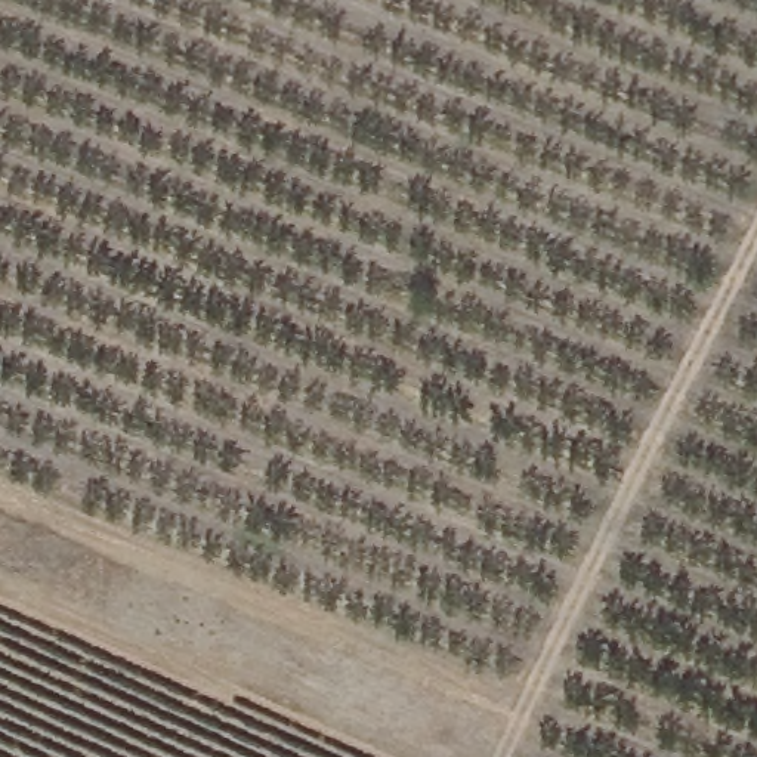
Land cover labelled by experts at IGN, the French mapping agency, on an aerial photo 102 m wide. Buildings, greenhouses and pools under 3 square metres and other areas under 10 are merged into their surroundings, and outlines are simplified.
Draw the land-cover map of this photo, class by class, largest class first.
<instances>
[{"label":"deciduous trees","instance_id":"1","mask_svg":"<svg viewBox=\"0 0 757 757\"><path fill-rule=\"evenodd\" d=\"M30 9L59 18L62 24L109 35L136 50L154 41L157 27L145 21H127L124 15H109V9L95 0H18ZM145 9L177 15L183 24L192 18H204V30L272 59H284L293 41L272 35L269 30H263V24H254V30L242 27L234 12L222 9L213 0H133ZM254 9H269L281 18H293L296 24L319 21L322 33L331 41L340 35V21L346 12L334 6L319 9L299 0H245ZM399 3H408L411 15H432L435 30L444 33L449 30V24H458V35L464 41L470 38V33H485L488 50L506 53L512 62L553 74L565 83H580L583 89L600 92V98H609L615 103L645 109L651 112V118L668 121L677 130L692 127L695 106L677 103L665 89H645L639 86V77L621 83L618 71H609L603 80L594 74V65L588 62L547 53V44L541 38L520 41L517 35H503L500 27L482 24V18L473 9H467V15H455L452 6H441L435 0H384V9L393 15L399 12ZM609 6H618L621 12L645 9L648 21L665 18V27H683L695 41L713 44L710 56H704L701 65H692V53L665 56V44L659 38L639 41L633 30L618 33L612 21L600 18L597 12L565 6L559 0H503L506 12L520 18L538 15L556 33H562V27H574V41L597 44L606 56H618L648 71H659L662 77H674L742 109H754L757 103V89L751 83L739 86L736 74L727 71V65H722V56L727 53V44H736L739 56L748 65H757V33H739L736 24L727 18L716 24L710 21V15H701L692 3L683 0H603ZM0 47L21 50L33 59H44L53 68H62L65 74L95 80L101 86H115L124 98L154 103L169 115H186L195 124L225 130L231 124L240 130L237 139L242 145H260L263 151H287L290 163L305 166L316 174L325 172L340 183H349V174H358L364 192L379 189L381 169L355 160L358 145H370L390 157H402L405 163H420V174L408 180V207L435 219H444V207L449 204V198L432 189L435 174H470L473 189L497 183L500 198H506V192H515L523 210H529L538 201L541 183L529 180L526 186H520L509 172L491 166L488 160L473 163V151L479 142H491L497 148L500 142H517V160H526L535 148L532 133H517L509 124L491 121L488 109L464 112L455 98L438 103L432 95H423L411 83L393 86V77L373 71L367 65L352 68L349 92L373 101L396 95V109H405L411 98L417 101V115L426 121L444 115L447 127L458 136L455 148H447L438 145V139H423L411 127L390 121L379 112H358L343 103H322L313 92H302L296 83H278V74L272 71L254 77L248 74V62L237 56H222L213 44H204L198 38L189 41V47H177L174 33L166 38L169 65H183L195 74H207L213 83H222V77H234V92H240L242 98H257L266 106H281L296 118L334 127L337 133L349 136L352 142L346 151H331L328 142L319 136H299L293 130H284L281 124L260 121V115L254 112H237L204 95L192 98L183 92V83L169 86L160 74L145 68H127L109 59V53L103 50L98 56H89L86 47L68 50L65 41L41 35V30L30 21L0 18ZM361 47H367L370 53L390 47L393 62L411 65L420 74H426V68H438L441 83L461 86L473 95L497 98L500 103H512L515 109L562 124L565 130L585 133L591 142H603L609 148L633 154L642 163H654L665 174L674 166H683V177L692 180L695 174H704L710 189L757 204V180H751L748 172H742L739 166L733 169L722 157H704L698 148L677 151L665 139L648 142L642 130L624 133V121L609 124L574 98H553L550 92H538L529 83L503 80L500 71L494 77H485L479 62H461L452 53H441L435 44L405 41V33H396L393 38L384 33V27H370L361 38ZM0 92L30 106L35 103V98H47L50 115L74 118L83 127H98L101 133L118 127L124 142L139 145L142 151L160 148V130L142 124L133 112L115 115L109 106L95 103L92 95L50 89L38 74H27L15 65H6L0 77ZM0 139L12 148L30 145L33 157L74 166L89 177L109 180L112 174H118L127 180V189L133 195L151 198L154 204H163L166 195H174V210L195 216L204 225H210L216 213L222 216V231H237L254 240L257 245H269V251L275 254L284 248V242H293V254L299 263L319 266L325 272H340L346 281H355L370 293H411L414 313L441 316L464 331L512 343L515 349L532 343V355L538 361H544L547 352H556L559 367L565 373H585L591 381H603L612 390L636 393L639 399H656L662 396V387L645 370H633L627 361L615 355H600L588 346L553 337L550 331L532 325L517 328L509 322V313L491 310L470 293L461 305H452V293H441L435 278L452 272L461 281H506V299L526 302L532 310H538L541 302H553L556 316L577 313L580 322H597L600 334L606 337L645 349L654 358L680 361L686 349L674 346L662 328L648 325L639 316L621 319V313L609 305L580 302L568 290H547L541 281L529 284L526 275L515 266L482 263L473 251H452L447 240L432 237V231H411L399 222H390L384 213H358L346 204L340 213V228L358 231L367 242H384L396 254H411L414 272H390L376 260H358L352 251H343L334 240L313 237L310 231H296L290 225H281L275 216L257 210H225L219 207L216 195L192 189V183L186 180L169 177L163 169L154 172L139 163H121L112 154H103L101 148H92L89 142H74L68 133H53L35 121L12 115L9 109H0ZM722 142H727L736 151H745L748 157H757V130L751 133L742 121H727L722 130ZM172 157L177 163H192L198 172L207 169L219 180L237 183L245 192L251 189V183H263L266 201L290 204L296 213H302V207H313L316 219L322 222L331 216L334 195L302 186L299 180L293 186H284L281 172L260 169L257 163H242L228 151H213L207 142L195 145L189 136L174 133ZM541 169L565 174L571 180L580 172H588L591 189L600 183H615V189L627 186L630 174L624 169L597 166L580 151L559 154V145H553V139H544ZM35 195L56 201L59 213L92 219L98 213L101 195L74 189L71 183H56L50 174H35ZM677 192L659 189L654 180H642L636 192L639 207H651L654 201L662 204L665 216L677 213ZM550 219L556 225L594 231V240L585 251H574L568 240H556L538 228L500 219L497 210H476L467 201L455 207V228L461 234H482L488 242H500L503 248L526 242V257L547 263L553 272H574L588 284L612 287L624 299L648 302L654 310L674 313L677 319H698L710 305L707 290L719 284L724 272L704 245H689L683 237L659 231H648L642 237L639 222L621 219L615 210L588 207L580 198L562 192H550ZM600 242L621 245L624 251L642 254L645 260L659 266H674L677 272H686V278L680 287H665V281H645L636 269L615 266L609 263V257L600 260ZM103 228H127L133 242H154V248L174 251L186 260L189 254H198V266L210 275H219L225 281H237L245 275L248 290L260 293L266 284L275 287L278 299L296 302L310 313H346V325L355 334L370 322V337L381 343H393L405 352L420 355L423 361L461 367L470 379H479L482 384L506 387L517 396L538 399L541 408H559L571 420L585 417V423L606 426L609 441L562 435L550 432L535 417L515 414L512 405H491V429L494 435L515 438L523 444V449H541L550 458L562 449H571V464L594 470L597 479H618L624 473L621 452L630 449L636 441L633 414L615 411V405L606 399L585 396L580 384L556 390L559 379H532V367H494L485 361L482 352H470L455 340L449 343L435 328H429V334L423 337L414 328V322L387 319L381 310L364 302L349 305L340 299L334 287H313L310 275L278 272L263 263H248L240 251H225L207 237L189 240L186 228H172L166 219L148 222L145 213H133L118 201L106 213ZM6 222H15V240L35 234L38 251L50 257L86 254L89 272L109 275L121 287H136L148 296H157L166 308H180L195 316H204L207 322L225 331L242 334L248 319H257L260 343H275L281 349L299 352L302 358L316 361L328 370L376 381L384 390H396L405 376L390 358L349 349L337 343L334 334L325 328H299L290 316H272L266 313V308H251L245 299L222 296L219 290H204L195 281H186L183 275H174V269L169 266H157L136 254H118L101 240L83 245V237H62V228L47 222L41 213L0 207V231ZM21 293H41L47 305H65L68 313L92 316L95 325H103L106 316H112L115 328L133 331L142 343L154 340V316L148 305H112L101 296V290L83 293V287L74 278H47L35 266L21 263ZM0 331L24 337L33 346H44L53 355L77 361L83 367L112 373L124 381L136 379V358L112 346H101L74 328H59L53 319L38 316L21 305L0 302ZM163 352L186 355L192 364L225 367L240 381L260 384L245 402H237L231 393L198 379L195 411L216 420H240L245 432L263 441L287 435L290 449L313 447L316 458L346 470H358L367 479L381 482L387 488H402L408 494L432 491L435 506L464 512L470 506V494L452 488L444 479V473L402 467L393 458H379L376 452L355 449V444H343L340 438H331L325 432H305L293 420H287L284 411H260L257 402L266 396V390H278L281 399H293V393L299 390V373L278 370L272 364H257L242 343L204 346L198 331H192L189 325L163 322ZM0 379L27 387V393H35L41 399L77 405L80 411L95 414L103 423L142 432L154 444L189 449L201 461H216L222 470H234L240 464L242 449L234 441H216L201 429H189L186 423L148 417V405L142 399H136L133 408H127L109 390H95L92 384L62 373L53 376L44 370V364L21 361L18 352H0ZM160 384H169V399L180 402L186 379L174 370H160L151 361L145 367V387L157 390ZM420 402L432 405L435 411H452V417L461 420L470 417V396L461 387H449L441 376H432L420 387ZM331 417H337L340 423H355V429L361 432L376 429L387 441H402V447H411L426 455L444 449V438H432V432L417 429L408 420H399L393 411L373 408L349 393H334ZM704 423L722 420V432L727 438L748 441L757 447V423L754 417L736 414L727 402H719L713 393H704L695 405ZM27 411L21 405L0 402V426L12 435H21ZM74 435V420H53L50 414L38 411L33 444H53L62 452ZM83 461L106 464L112 473L130 479H136L139 473H151V485L160 494L166 482H177L180 503L219 500V517H228L231 512L248 515L245 529L237 535L234 544L222 541L219 532L207 529L204 553V559H213L219 550H228V568L237 577H251L257 583L278 588L281 594H302L308 603H319L328 612L340 597L346 600V612L352 621L390 627L399 639L411 645L432 648L435 654H449V639H441L438 618L417 615L384 594H376L373 606H364V591L349 588L346 580H337L331 574L299 577L293 565H287L284 544L299 515L284 503L269 506L257 494L242 488H225L216 482L204 485L198 482L195 470H186L177 461H154L145 458L139 449L127 447L121 438L86 432ZM680 464L719 473L727 479V485H745L757 491V464H748L742 449L727 452L716 444H704L698 435H680L674 441ZM455 467L470 470L476 479H497L494 447L455 444ZM0 476L30 485L38 494H47L59 479L56 467L24 455L21 449H0ZM520 488L532 500H544L547 506L571 503V512L577 517L600 515L606 509L603 503H588L583 488L565 482V476H547L535 467L523 470ZM293 494L299 500L316 494V509L322 512H331V503L340 500L343 515L358 509L364 512L367 526L393 535L402 544H438L444 556L449 562H458L461 568L482 571L500 585L517 580L520 588H529L541 600H553L559 597V591L556 574L547 565H526L520 559L529 547L541 550L544 541L553 544V553L559 559L571 556V550L577 547V532H568L562 523L512 515V506L497 503L491 494H485L476 520L485 529L503 532L506 538L526 541L520 547V556L512 559L473 541L461 544L455 541L452 526L438 532L423 515H399L396 506H384L381 500H358L355 488H334L310 473L296 476ZM665 500L683 503V512L713 523H722L727 517L733 520V529L739 535L757 541V509L748 500H724L704 488L695 491L683 476L662 473ZM127 491H112L106 479H89L83 509L86 515H103L106 520H118L124 506ZM160 544L172 550L192 547L198 541L195 517L169 512L160 517L157 526ZM645 541L654 544L656 538H665L668 553H689L698 565L722 571L730 580H739L742 585H751L757 574V565L754 559L742 562V550L730 547L727 541L713 538L710 532L686 529L654 512H648L642 523ZM621 580L627 585H645L648 591H671V609H662L659 615H645L639 606L624 603V597L612 591L603 594L606 621L597 630L580 633L577 639V651L585 665L651 686L654 695L677 698L680 704H698L701 710H710L716 722L751 730L745 742L730 739L727 733H719L710 742L704 736H695L692 724H680L674 713H665L659 716L656 739L668 751H683L680 757H757V600L751 597L742 606L724 603L716 585H692L689 574L683 571L662 574L659 562H642L639 553H624ZM707 609L719 612V618L736 630H751V642L722 648V633H698L692 621L698 612ZM417 585L423 600H441L447 612H467L473 621H479L488 594L479 585L461 583L452 574H435L429 565H423ZM550 627L538 624L529 639L517 642L512 654L520 659V665L529 668L538 659ZM565 701L571 707L612 713L618 724L630 730L639 727V710L636 701L624 698L618 686L585 683L580 674H568ZM541 748L535 757H651L630 751L627 742L615 733H585L583 727H559V722L553 716H544L538 722Z\"/></svg>","mask_w":757,"mask_h":757},{"label":"plowed land","instance_id":"2","mask_svg":"<svg viewBox=\"0 0 757 757\"><path fill-rule=\"evenodd\" d=\"M109 9V15H124L127 21H145L157 27L154 41L136 50L109 35L62 24L59 18L30 9L18 0H0V18L30 21L41 30V35L65 41L68 50L86 47L89 56H98L103 50L109 53V59L127 68H145L160 74L169 86L183 83V92L192 98L204 95L237 112H254L260 115V121L281 124L284 130H293L299 136H319L328 142L331 151H346L352 142L349 136L337 133L334 127L296 118L281 106H266L257 98H242L240 92H234V77H222V83H213L207 74H195L183 65H169L166 38L174 33L177 47H189V41L198 38L204 44H213L222 56H237L248 62V74L254 77L272 71L278 74V83H296L302 92H313L322 103H343L358 112H379L390 121L411 127L423 139H438V145L447 148H455L458 136L447 127L444 115L426 121L417 115V101L411 98L405 109H396V95L373 101L349 92L352 68L367 65L373 71L393 77V86L411 83L423 95H432L438 103L455 98L464 112L488 109L491 121L509 124L517 133H532L535 148L526 160H517V142H500L497 148L491 142H479L473 151V163L488 160L491 166L509 172L520 186H526L529 180L541 183L538 201L529 210H523L515 192H506V198H500L497 183L473 189L470 174H435L432 189L449 198V204L444 207V219H435L408 207V180L420 174V163H405L402 157H390L370 145H358L355 160L381 169L379 189L364 192L358 174H349V183H340L325 172L316 174L305 166L290 163L287 151H263L260 145H242L237 139L240 130L231 124L225 130L195 124L186 115H169L154 103L124 98L115 86H101L95 80L65 74L62 68H53L44 59H33L21 50L0 47V77L6 65H15L27 74H38L50 89L92 95L95 103L109 106L115 115L133 112L142 124L160 130V148L142 151L139 145L124 142L118 127L101 133L98 127H83L74 118L50 115L47 98H35V103L30 106L0 92V109H9L12 115L35 121L53 133H68L74 142H89L92 148H101L103 154H112L121 163H139L154 172L163 169L169 177L186 180L192 183V189L216 195L219 207L225 210H257L275 216L281 225H290L296 231H310L313 237L334 240L343 251H352L358 260H376L390 272H414L411 254H396L384 242H367L358 231L340 228V213L346 204L358 213H384L390 222H399L411 231H432V237L447 240L452 251H473L482 263L515 266L526 275L529 284L541 281L547 290H568L580 302L609 305L621 313V319L639 316L648 325L662 328L674 346L686 349L698 319H677L674 313L654 310L648 302L624 299L612 287L588 284L574 272H553L547 263L526 257V242L503 248L500 242H488L482 234H461L455 228V207L467 201L476 210H497L500 219L538 228L556 240H568L574 251H585L594 240V231L556 225L550 219V192H562L580 198L588 207L615 210L621 219L639 222L642 237L648 231H659L683 237L689 245H704L724 272L736 254L739 240L751 228L757 210V204L710 189L704 174H695L692 180L683 177V166H674L665 174L654 163H642L633 154L609 148L603 142H591L585 133L565 130L562 124L515 109L512 103H500L497 98L473 95L461 86L441 83L438 68H426V74H420L411 65L393 62L390 47L370 53L367 47H361V38L370 27H384V33L393 38L396 33H405V41L435 44L441 53H452L461 62H479L485 77H494L500 71L503 80L529 83L538 92H550L553 98H574L609 124L624 121V133L642 130L648 142L665 139L677 151L698 148L704 157H722L733 169L739 166L742 172H748L751 180H757V157H748L745 151H736L727 142H722V130L727 121H742L751 133L757 130V103L754 109H742L674 77H662L659 71H648L618 56H606L597 44L574 41V27H562V33H556L538 15L520 18L506 12L503 0H435L441 6H452L455 15H467V9H473L482 18V24L500 27L503 35H517L520 41L541 38L547 44V53L588 62L594 65V74L603 80L609 71H618L621 83L639 77V86L645 89H665L677 103L695 106L692 127L677 130L668 121L651 118V112L645 109L615 103L609 98H600V92L583 89L580 83H565L553 74L512 62L506 53L488 50L485 33H470V38L464 41L458 35V24H449V30L444 33L435 30L432 15H411L408 3H399V12L393 15L384 9V0H299L319 9L334 6L346 12L340 21V35L331 41L322 33L319 21L296 24L293 18H281L269 9H254L245 0H213L222 9L234 12L242 27L254 30V24H263V30H269L272 35L293 41L284 59H272L204 30V18H192L183 24L177 15L145 9L133 0H95ZM174 133L189 136L195 145L207 142L213 151H228L242 163H257L260 169L281 172L284 186H293L299 180L302 186L334 195L331 216L322 222L316 219L313 207H302V213H296L290 204L266 201L263 183H251V189L245 192L237 183L219 180L207 169L198 172L192 163H177L172 157ZM544 139H553V145H559V154L580 151L597 166L624 169L630 174L627 186L615 189V183H600L591 189L588 172H580L571 180L565 174L541 169ZM642 180H654L659 189L677 192V213L665 216L662 204L654 201L651 207H639L636 192ZM565 6L597 12L600 18L612 21L618 33L633 30L639 41L659 38L665 44V56L692 53V65H701L704 56H710L713 44L695 41L683 27H665V18L648 21L645 9L621 12L618 6H609L603 0H559ZM692 3L701 15H710V21L716 24L727 18L736 24L739 33H757V0H683ZM722 65H727V71L736 74L739 86L751 83L757 89V65H748L739 56L736 44H727V53L722 56ZM35 174H50L56 183H71L74 189L101 195L98 213L92 219L59 213L56 201L35 195ZM118 201L133 213H145L148 222L166 219L172 228H186L189 240L207 237L225 251H240L248 263H263L278 272L310 275L313 287H334L340 299L349 305L364 302L381 310L387 319L414 322V328L423 337L429 334V328H435L449 343L455 340L470 352H482L485 361L494 367H532V379H559L556 390L580 384L585 396L606 399L615 405V411L633 414L636 441L651 420L656 399H639L636 393L612 390L603 381H591L585 373H565L559 367L556 352H547L544 361H538L532 355V343L515 349L512 343L464 331L441 316L414 313L411 293H370L355 281H346L340 272H325L319 266L299 263L293 254V242H284V248L275 254L269 251V245H257L254 240L237 231H222V216L216 213L210 225H204L195 216L174 210V195H166L163 204H154L151 198L133 195L127 189V180L118 174H112L109 180L89 177L74 166L33 157L30 145L12 148L0 139V207L41 213L47 222L62 228V237H83V245L101 240L118 254H136L157 266H169L174 269V275H183L186 281H195L204 290H219L222 296L245 299L251 308H266V313L272 316H290L299 328H325L334 334L337 343L349 349L390 358L405 376L396 390H384L376 381L328 370L316 361L302 358L299 352L281 349L275 343H260L257 319H248L242 334L225 331L207 322L204 316H195L180 308H166L157 296H148L136 287H121L109 275L89 272L86 254L50 257L38 251L35 234L15 240V222H6L0 231V302L21 305L38 316L53 319L59 328H74L101 346H112L136 358V379L124 381L112 373L83 367L77 361L53 355L44 346H33L24 337L0 331V352H18L21 361L44 364V370L53 376L62 373L92 384L95 390H109L127 408H133L136 399H142L148 405V417L186 423L189 429H201L216 441H234L242 449L240 464L234 470H222L216 461H201L189 449L154 444L142 432L103 423L95 414L80 411L77 405L41 399L35 393H27V387L0 379V402L21 405L27 411L21 435H12L0 426V449H21L24 455L56 467L59 479L47 494L56 503L83 509L89 479H106L112 491H127L124 506L133 509V532H142L148 520L157 526L160 517L169 512L195 517L198 541L192 547L204 553L207 529L219 532L222 541L234 544L237 535L245 529L248 515L231 512L228 517H219V500L180 503L177 482H166L160 494L151 485V473H139L136 479H130L112 473L106 464L83 461L86 432L121 438L127 447L139 449L145 458L154 461H177L186 470H195L198 482L204 485L216 482L225 488H242L257 494L269 506L284 503L299 515L284 544L287 565H293L299 577L331 574L337 580H346L349 588L364 591V606H373L376 594H384L417 615L438 618L441 639H449V654L461 659L467 668L500 677L515 674L520 665V659L512 654L517 642L529 639L538 624L550 627L553 600H541L529 588H520L517 580L500 585L482 571L461 568L458 562H449L444 556L438 544H402L393 535L367 526L364 512L358 509L343 515L340 500L331 503V512H322L316 509V494L299 500L293 494L296 476L310 473L334 488H355L358 500H381L384 506H396L399 515H423L438 532L452 526L455 541L461 544L473 541L512 559L520 556V547L526 541L506 538L503 532L485 529L476 520L485 494H491L497 503L512 506V515L562 523L568 532H577V547L571 550V556L559 559L553 553V544L544 541L541 550L529 547L520 559L526 565H547L556 574L559 591L574 580L580 559L591 547L600 515L577 517L571 512V503L547 506L544 500H532L520 488L523 470L535 467L547 476H565V482L583 488L588 503H603L606 509L612 503L618 479H597L594 470L571 464V449H562L550 458L541 449H523V444L515 438L494 435L491 429V405H512L515 414L535 417L550 432L562 435L609 441L606 426L585 423V417L571 420L559 408H541L538 399L517 396L506 387L482 384L479 379H470L461 367L423 361L420 355L405 352L393 343H381L370 337V322L355 334L346 325V313H310L296 302L278 299L275 287L266 284L260 293L248 290L245 275L237 281H225L219 275H210L198 266V254H189L186 260L174 251L154 248V242H133L127 228H103L106 213ZM21 263L35 266L47 278H74L83 287V293L101 290V296L112 305H148L154 316V340L142 343L133 331L115 328L112 316H106L103 325H95L92 316L68 313L65 305H47L41 293H21ZM163 322L189 325L192 331H198L204 346L242 343L257 364H272L278 370L299 373V390L293 393V399H281L278 390H266V396L257 402L260 411H284L287 420H293L305 432H325L331 438H340L343 444H355V449L376 452L379 458H393L402 467L444 473V479L452 488L470 494V506L464 512L435 506L432 491L408 494L402 488H387L381 482L367 479L358 470H346L316 458L313 447L290 449L287 435L263 441L245 432L240 420H216L195 411L198 379L231 393L237 402H245L260 384L240 381L225 367L192 364L186 355L163 352ZM151 361L160 370H174L186 379L180 402L169 399V384H160L157 390L145 387V367ZM432 376H441L449 387H461L470 396V417L461 420L452 417V411H435L432 405L420 402V387ZM334 393H349L373 408L393 411L399 420H408L417 429L432 432V438H444V449L426 455L411 447H402V441H387L376 429L361 432L355 429V423H340L337 417H331ZM38 411L50 414L53 420H74V435L62 452L53 444H33ZM455 444L494 447L497 479H476L470 470L455 467ZM423 565H429L435 574H452L461 583L479 585L488 594L479 621H473L467 612H447L441 600H423L417 585ZM600 260L609 257V263L615 266L636 269L645 281H665V287H680L686 278V272H677L674 266H659L645 260L642 254L624 251L621 245L600 242ZM704 393H713L719 402H727L736 414L754 417L757 423V260L745 278V287L727 310L710 361L704 364L698 381L692 384L680 408L677 426L662 444L659 464L648 470L639 500L621 523L618 550L624 553H639L642 562H659L662 574L683 571L689 574L692 585H716L724 603L742 606L751 597L757 600V574L751 585H742L739 580H730L722 571L698 565L689 553H668L665 538H656L654 544L645 541L642 523L648 512H654L686 529L710 532L713 538L727 541L730 547L742 550V562L754 559L757 565V541L739 535L733 529V520L727 517L722 523H713L683 512V503L665 500L662 473L683 476L695 491L704 488L724 500H748L757 509V491L745 485H727V479L719 473L680 464L674 441L680 435H698L704 444H716L727 452L742 449L748 464H757V447L748 441L727 438L722 432V420L704 423L695 405ZM441 293H452V305H461L470 293L491 310L509 313V322L517 328L532 325L550 331L553 337L588 346L600 355H615L627 361L633 370H645L662 387L674 379L680 361L654 358L645 349L606 337L600 334L597 322H580L577 313L556 316L553 302H541L538 310H532L526 302L506 299V281H461L452 272L435 278ZM612 591L624 597V603L639 606L645 615H659L662 609H671V591H648L645 585H627L621 580ZM698 633H722V648L751 642V630H736L719 618V612L707 609L698 612L692 621ZM559 668L568 674H580L585 683L618 686L624 698L636 701L639 710V727L630 730L618 724L612 713L571 707L559 722V727H583L585 733H615L627 742L630 751L651 757H680L683 751H668L656 739L659 716L665 713H674L680 724H692L695 736H704L710 742L719 733H727L730 739L745 742L751 730L716 722L710 710H701L698 704H680L677 698L654 695L651 686L585 665L577 651V639H571L562 648Z\"/></svg>","mask_w":757,"mask_h":757},{"label":"pervious surface","instance_id":"3","mask_svg":"<svg viewBox=\"0 0 757 757\"><path fill-rule=\"evenodd\" d=\"M757 260V210L751 228L739 240L736 254L724 272L719 284L707 290L710 305L698 319L686 349L680 361L674 379L662 387V396L656 399L651 420L636 441L630 449L621 452L624 473L618 479L612 503L600 515L591 547L580 559L574 580L559 591V597L553 600L550 627L538 659L529 668L520 665L515 674L500 677L467 668L461 659L449 654H435L432 648L411 645L399 639L390 627L352 621L346 612V600L340 597L328 612L319 603H308L302 594H281L278 588L257 583L251 577H237L228 568V550H219L213 559H204V553L192 547L172 550L160 544L157 526L148 520L142 532H133V509L124 506L118 520H106L103 515H86L83 509L56 503L47 494H38L30 485L0 476V603L24 615H33L50 627L74 633L136 665L160 671L183 686L213 695L225 704H231L234 698H251L287 719H296L313 730H322L376 757H535L541 748L538 722L544 716H553L559 722L571 707L565 701L568 674L559 668L562 648L571 639H577L580 633L597 630L606 621L603 594L612 591L621 580L624 553L618 550L621 523L639 500L648 470L659 464L662 444L677 426L680 408L692 384L698 381L704 364L710 361L727 310L745 287V278Z\"/></svg>","mask_w":757,"mask_h":757},{"label":"vineyard","instance_id":"4","mask_svg":"<svg viewBox=\"0 0 757 757\"><path fill-rule=\"evenodd\" d=\"M0 757H376L322 730H313L296 719H287L251 698H234L231 704H225L213 695L183 686L160 671L136 665L74 633L50 627L33 615H24L0 603Z\"/></svg>","mask_w":757,"mask_h":757}]
</instances>
